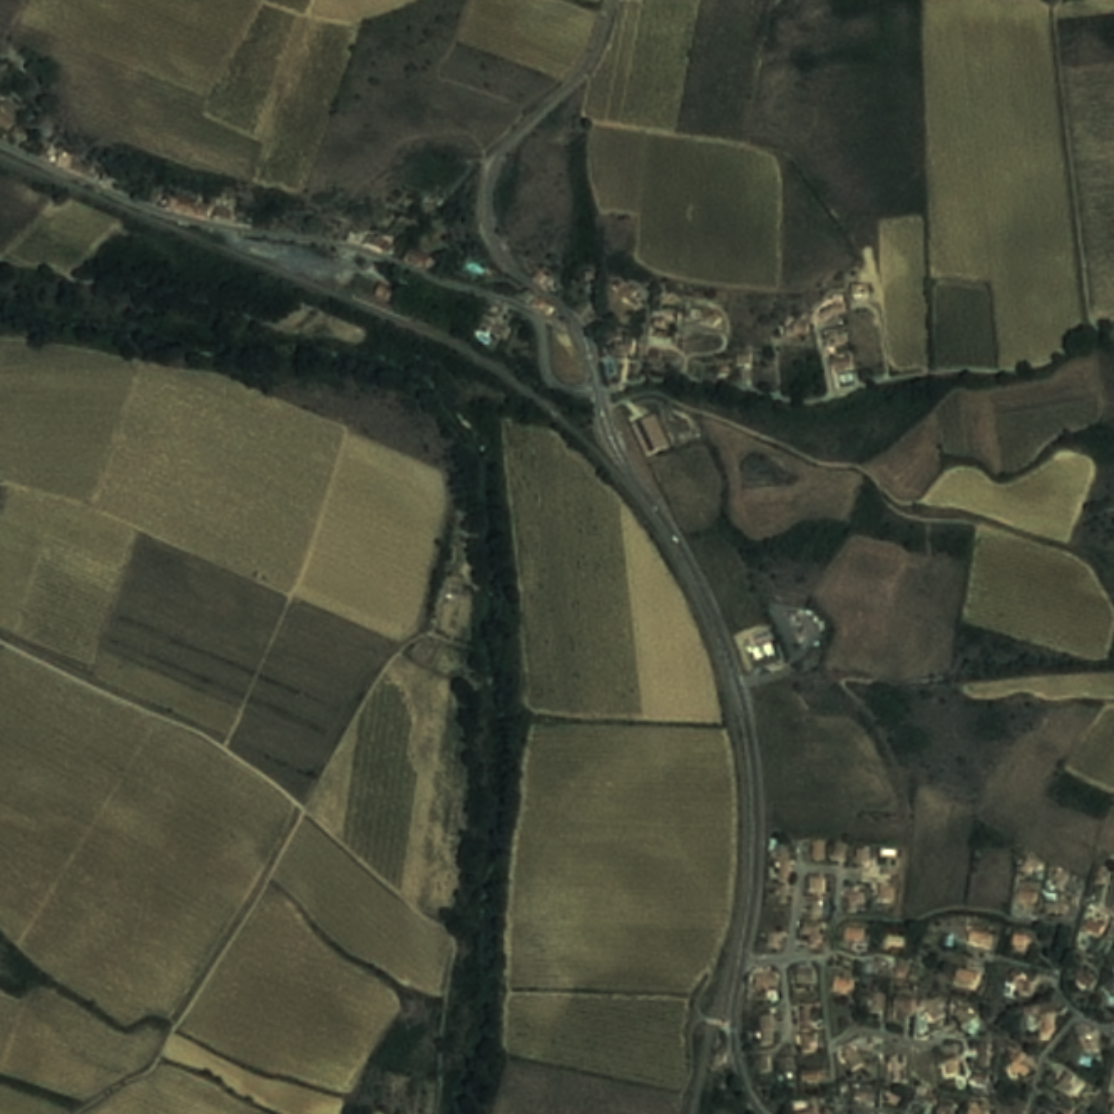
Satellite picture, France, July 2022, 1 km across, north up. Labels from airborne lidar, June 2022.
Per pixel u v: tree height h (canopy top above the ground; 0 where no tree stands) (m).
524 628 0
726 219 0
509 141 0
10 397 0
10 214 0
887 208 0
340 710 0
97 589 0
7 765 0
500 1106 0
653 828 0
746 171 0
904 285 0
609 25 0
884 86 0
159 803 0
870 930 8
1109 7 0
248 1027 0
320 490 0
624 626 0
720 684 0
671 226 0
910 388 9
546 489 0
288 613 0
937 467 0
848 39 0
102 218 0
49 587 0
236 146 0
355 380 15
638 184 0
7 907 0
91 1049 0
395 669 0
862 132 0
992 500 0
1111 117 0
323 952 0
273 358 25
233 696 0
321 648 0
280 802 0
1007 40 0
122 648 0
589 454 10
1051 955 14
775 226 0
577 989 0
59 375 0
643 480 0
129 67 0
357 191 0
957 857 0
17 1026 0
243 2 0
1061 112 0
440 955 0
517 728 15
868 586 0
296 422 0
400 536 0
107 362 0
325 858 0
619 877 0
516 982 0
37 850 0
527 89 0
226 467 0
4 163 0
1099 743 0
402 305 23
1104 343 5
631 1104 0
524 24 0
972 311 0
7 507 0
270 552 0
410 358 7
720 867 0
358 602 0
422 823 0
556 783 0
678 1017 0
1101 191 0
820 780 0
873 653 0
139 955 0
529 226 0
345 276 0
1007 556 0
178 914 0
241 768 0
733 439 0
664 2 0
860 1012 7
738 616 0
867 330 0
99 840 0
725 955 0
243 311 12
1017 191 0
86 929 0
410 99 0
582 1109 0
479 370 8
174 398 0
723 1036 7
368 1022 0
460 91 0
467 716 16
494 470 12
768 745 0
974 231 0
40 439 0
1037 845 0
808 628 0
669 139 0
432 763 0
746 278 0
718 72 0
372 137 0
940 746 0
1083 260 0
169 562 0
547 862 0
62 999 0
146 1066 0
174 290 17
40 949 0
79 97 0
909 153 0
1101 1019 8
